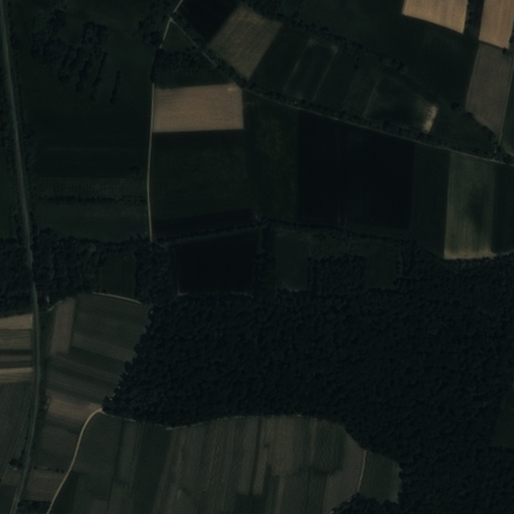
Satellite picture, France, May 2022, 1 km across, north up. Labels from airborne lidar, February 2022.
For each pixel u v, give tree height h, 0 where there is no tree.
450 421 30
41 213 0
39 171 0
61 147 0
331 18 0
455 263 15
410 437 29
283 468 0
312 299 29
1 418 0
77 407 0
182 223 0
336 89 0
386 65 0
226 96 0
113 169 0
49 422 0
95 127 0
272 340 29
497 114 0
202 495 0
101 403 0
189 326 25
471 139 0
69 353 0
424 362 25
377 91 0
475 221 0
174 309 27
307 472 0
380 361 28
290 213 0
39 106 0
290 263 0
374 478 0
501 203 0
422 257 15
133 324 0
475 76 0
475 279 15
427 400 28
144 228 0
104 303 0
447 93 0
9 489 0
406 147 0
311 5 0
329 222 0
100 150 0
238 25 0
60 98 0
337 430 0
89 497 0
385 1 0
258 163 0
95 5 0
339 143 0
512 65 0
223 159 0
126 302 0
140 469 0
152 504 0
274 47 0
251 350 29
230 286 0
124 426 0
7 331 0
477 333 18
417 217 0
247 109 0
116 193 0
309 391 27
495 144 8
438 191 0
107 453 0
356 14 0
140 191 0
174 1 0
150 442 0
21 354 0
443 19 0
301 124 0
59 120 0
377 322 30
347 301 27
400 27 0
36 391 0
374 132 0
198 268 0
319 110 9
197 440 0
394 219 0
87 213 0
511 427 0
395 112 0
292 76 0
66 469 0
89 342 0
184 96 0
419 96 0
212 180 0
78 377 0
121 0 0
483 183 0
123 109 0
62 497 0
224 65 16
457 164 0
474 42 0
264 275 26
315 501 0
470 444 30
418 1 0
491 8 0
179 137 0
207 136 0
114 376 0
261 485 0
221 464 0
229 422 0
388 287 0
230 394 26
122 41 0
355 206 0
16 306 18
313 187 0
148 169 0
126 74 0
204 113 0
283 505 0
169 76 18
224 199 0
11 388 0
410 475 23
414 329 26
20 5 0
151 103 0
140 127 0
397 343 27
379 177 0
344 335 24
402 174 0
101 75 5
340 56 0
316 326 29
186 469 0
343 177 0
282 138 0
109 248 11
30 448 0
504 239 0
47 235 19
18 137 0
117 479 0
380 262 0
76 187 0
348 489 0
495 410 28
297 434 0
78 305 0
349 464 0
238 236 0
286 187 0
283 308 23
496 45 0
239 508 0
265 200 0
